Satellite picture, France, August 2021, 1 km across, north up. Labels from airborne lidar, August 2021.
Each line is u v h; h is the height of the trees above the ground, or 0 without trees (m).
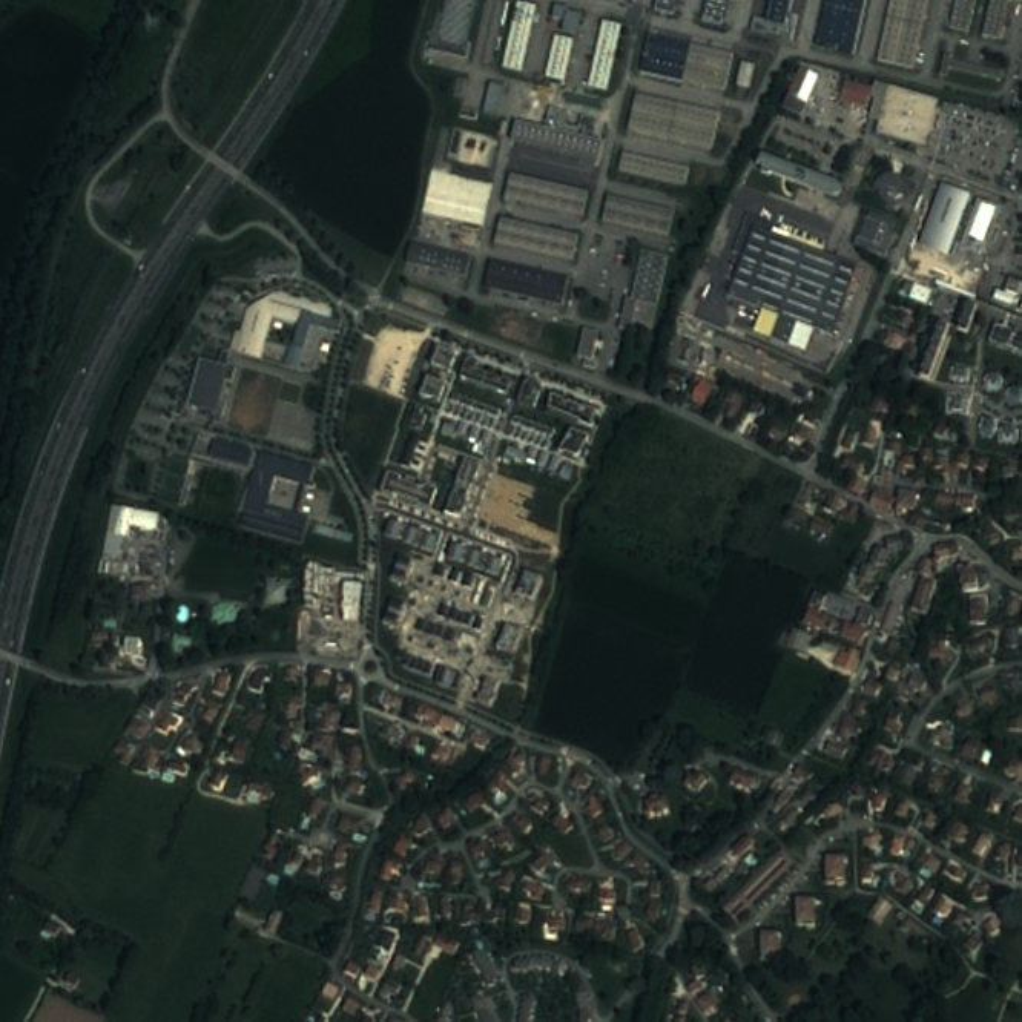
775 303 0
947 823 8
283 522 0
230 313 6
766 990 27
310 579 0
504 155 0
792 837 9
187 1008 0
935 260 0
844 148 7
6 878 13
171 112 0
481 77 0
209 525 6
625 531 6
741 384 10
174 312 8
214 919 0
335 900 13
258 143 0
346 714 7
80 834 0
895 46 0
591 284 0
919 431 13
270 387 0
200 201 0
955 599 6
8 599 0
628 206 0
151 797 0
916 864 8
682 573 7
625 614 0
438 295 0
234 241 0
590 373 0
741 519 9
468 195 0
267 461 0
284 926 9
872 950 13
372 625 10
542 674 15
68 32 0
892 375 22
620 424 10
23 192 0
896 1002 0
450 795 11
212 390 0
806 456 11
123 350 0
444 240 0
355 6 0
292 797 0
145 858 0
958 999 0
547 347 0
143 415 0
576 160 0
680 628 0
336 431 7
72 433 0
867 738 9
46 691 9
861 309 0
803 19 0
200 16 0
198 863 0
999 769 9
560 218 0
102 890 0
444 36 0
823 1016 22
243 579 0
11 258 0
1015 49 0
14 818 15
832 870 0
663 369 16
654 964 20
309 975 0
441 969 0
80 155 16
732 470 0
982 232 0
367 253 0
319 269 16
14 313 14
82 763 0
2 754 0
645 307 0
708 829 15
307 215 15
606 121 0
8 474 12
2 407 21
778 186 0
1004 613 7
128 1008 0
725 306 0
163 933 0
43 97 0
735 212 0
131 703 0
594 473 10
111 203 0
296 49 0
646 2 0
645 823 11
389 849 6
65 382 0
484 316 0
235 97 0
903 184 0
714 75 0
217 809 0
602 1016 0
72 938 12
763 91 0
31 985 0
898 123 0
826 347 0
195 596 0
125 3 16
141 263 0
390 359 0
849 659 0
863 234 0
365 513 7
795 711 0
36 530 0
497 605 0
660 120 0
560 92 0
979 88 0
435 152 0
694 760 20
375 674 0
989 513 8
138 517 0
